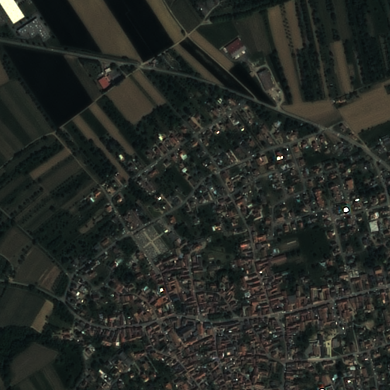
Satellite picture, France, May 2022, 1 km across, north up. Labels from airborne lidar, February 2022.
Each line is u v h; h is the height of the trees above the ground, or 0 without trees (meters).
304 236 0
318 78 7
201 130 0
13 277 7
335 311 0
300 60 7
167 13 0
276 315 0
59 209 0
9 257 0
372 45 8
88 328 0
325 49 0
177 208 0
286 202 0
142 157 0
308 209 0
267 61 0
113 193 0
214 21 15
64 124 0
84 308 8
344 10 0
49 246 7
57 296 6
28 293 0
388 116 0
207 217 0
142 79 0
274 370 0
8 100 0
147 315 0
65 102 0
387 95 0
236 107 0
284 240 0
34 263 0
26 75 0
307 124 9
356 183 12
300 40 0
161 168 0
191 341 0
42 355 0
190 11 0
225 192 0
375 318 0
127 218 0
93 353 0
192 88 0
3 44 0
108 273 0
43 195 0
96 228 0
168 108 7
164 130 0
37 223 0
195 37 0
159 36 0
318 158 0
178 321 0
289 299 0
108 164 15
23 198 0
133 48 0
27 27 0
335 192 0
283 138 0
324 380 0
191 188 0
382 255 9
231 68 0
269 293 0
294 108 0
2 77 0
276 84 0
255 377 0
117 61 0
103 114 0
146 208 0
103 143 9
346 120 0
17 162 0
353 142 0
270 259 0
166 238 0
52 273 0
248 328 0
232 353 0
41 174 0
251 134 0
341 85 0
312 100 8
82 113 0
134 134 6
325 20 0
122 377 6
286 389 0
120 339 0
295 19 0
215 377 0
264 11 11
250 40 0
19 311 0
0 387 0
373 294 8
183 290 0
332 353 0
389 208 0
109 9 0
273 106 0
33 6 0
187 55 0
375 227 0
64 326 0
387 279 6
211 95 7
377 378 0
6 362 11
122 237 0
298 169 0
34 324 0
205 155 0
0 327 0
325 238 0
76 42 0
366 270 0
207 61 0
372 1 0
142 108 0
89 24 0
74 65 0
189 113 8
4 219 0
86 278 0
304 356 0
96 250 13
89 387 0
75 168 0
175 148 0
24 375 0
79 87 0
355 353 0
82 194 0
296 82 0
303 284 0
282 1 5
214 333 0
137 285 12
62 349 9
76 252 0
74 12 0
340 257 9
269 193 0
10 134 0
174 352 0
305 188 0
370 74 10
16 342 16
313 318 0
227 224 11
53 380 0
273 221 0
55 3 0
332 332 0
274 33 0
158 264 0
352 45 0
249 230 0
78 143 0
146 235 0
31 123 0
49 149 7
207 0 0
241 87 0
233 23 0
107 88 12
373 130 0
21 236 0
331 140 0
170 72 0
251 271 0
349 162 11
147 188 0
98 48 0
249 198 0
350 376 0
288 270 8
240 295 0
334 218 0
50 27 0
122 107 0
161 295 0
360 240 0
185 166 12
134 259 0
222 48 0
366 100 0
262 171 0
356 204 0
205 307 0
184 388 0
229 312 12
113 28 0
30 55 0
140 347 0
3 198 0
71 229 0
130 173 14
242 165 0
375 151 0
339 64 0
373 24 0
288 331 0
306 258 0
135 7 0
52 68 0
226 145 0
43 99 0
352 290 0
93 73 0
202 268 0
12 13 0
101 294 0
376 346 0
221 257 0
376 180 0
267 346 0
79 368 0
